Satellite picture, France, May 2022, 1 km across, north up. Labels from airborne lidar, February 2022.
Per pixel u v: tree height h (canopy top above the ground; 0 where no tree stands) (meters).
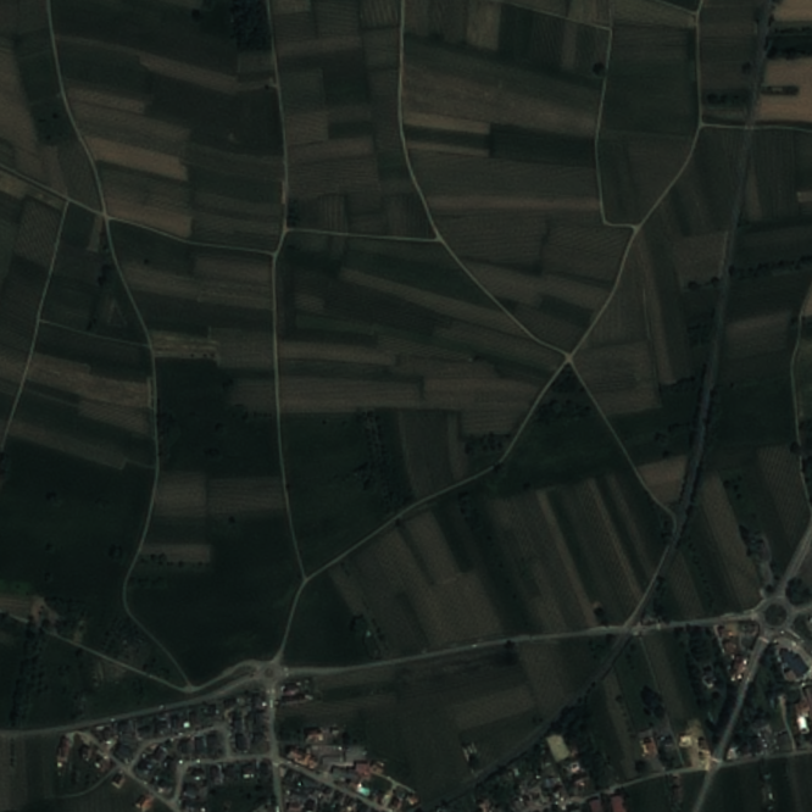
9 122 0
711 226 0
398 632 0
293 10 0
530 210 0
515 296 0
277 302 0
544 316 0
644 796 0
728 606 0
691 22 0
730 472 0
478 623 0
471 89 0
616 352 0
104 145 0
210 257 0
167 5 0
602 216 0
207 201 0
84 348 0
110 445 0
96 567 0
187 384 0
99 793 0
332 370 0
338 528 0
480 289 0
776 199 0
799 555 0
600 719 0
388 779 0
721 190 0
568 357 0
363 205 0
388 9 0
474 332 0
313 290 0
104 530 0
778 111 0
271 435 0
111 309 0
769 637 0
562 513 0
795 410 0
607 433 0
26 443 0
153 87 0
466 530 0
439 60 0
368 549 0
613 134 0
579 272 0
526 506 0
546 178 0
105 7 0
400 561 0
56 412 0
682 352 0
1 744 0
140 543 0
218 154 0
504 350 0
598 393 0
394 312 0
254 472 0
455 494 0
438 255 0
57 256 0
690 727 0
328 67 0
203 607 0
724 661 6
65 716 0
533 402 0
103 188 0
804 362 0
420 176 0
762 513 0
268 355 0
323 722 0
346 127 0
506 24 0
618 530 0
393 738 0
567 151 0
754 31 0
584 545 0
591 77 0
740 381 0
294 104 0
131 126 0
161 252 0
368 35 0
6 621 9
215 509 0
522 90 0
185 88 0
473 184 0
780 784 0
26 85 0
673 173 0
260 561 0
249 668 0
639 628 0
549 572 0
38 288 0
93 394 0
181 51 0
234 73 0
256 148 0
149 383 0
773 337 0
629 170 0
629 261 0
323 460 0
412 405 0
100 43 0
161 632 0
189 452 0
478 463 0
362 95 0
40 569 0
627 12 0
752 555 8
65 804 0
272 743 0
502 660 0
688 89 0
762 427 0
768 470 0
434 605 0
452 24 0
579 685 0
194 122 0
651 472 0
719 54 0
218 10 0
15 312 0
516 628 0
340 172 0
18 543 0
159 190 0
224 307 0
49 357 0
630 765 0
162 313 0
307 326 0
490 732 0
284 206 0
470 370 0
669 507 0
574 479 0
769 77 0
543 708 0
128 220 0
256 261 0
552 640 0
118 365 0
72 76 0
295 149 0
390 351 0
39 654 6
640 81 0
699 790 0
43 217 0
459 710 0
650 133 0
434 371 0
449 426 0
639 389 0
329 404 0
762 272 7
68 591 0
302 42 0
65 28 0
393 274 0
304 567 0
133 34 0
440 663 0
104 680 0
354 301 0
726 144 0
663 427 0
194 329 0
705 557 0
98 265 0
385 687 0
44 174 0
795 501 0
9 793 0
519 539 0
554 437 0
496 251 0
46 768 0
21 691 7
